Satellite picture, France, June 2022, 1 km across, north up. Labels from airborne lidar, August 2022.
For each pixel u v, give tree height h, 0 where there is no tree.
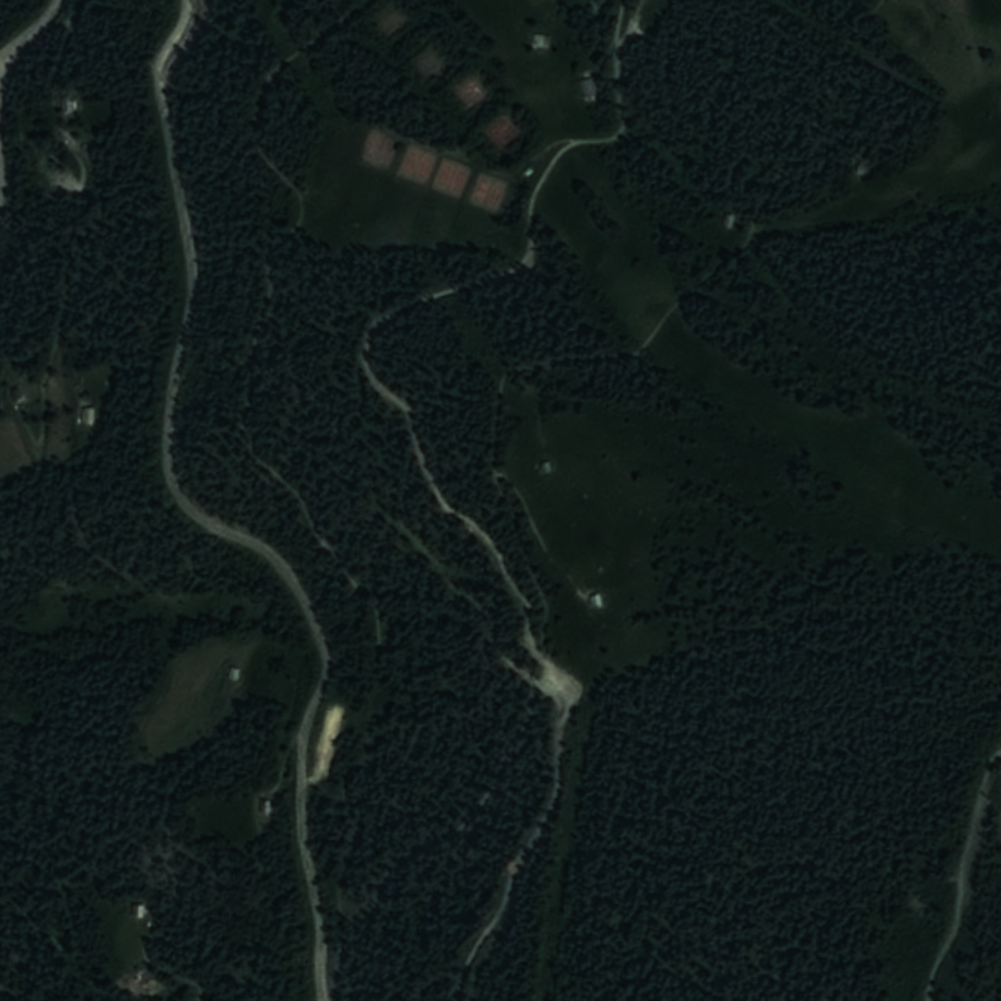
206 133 26
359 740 8
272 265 13
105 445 21
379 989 24
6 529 25
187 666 0
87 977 8
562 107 0
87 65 19
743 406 0
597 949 16
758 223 12
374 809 25
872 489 0
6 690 7
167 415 0
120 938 0
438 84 11
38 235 18
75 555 23
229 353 12
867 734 21
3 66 0
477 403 16
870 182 14
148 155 16
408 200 0
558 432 0
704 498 10
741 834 23
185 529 28
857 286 19
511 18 0
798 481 21
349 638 20
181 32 0
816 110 27
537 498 0
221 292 17
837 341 23
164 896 21
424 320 20
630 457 0
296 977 12
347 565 23
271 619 15
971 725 9
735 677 20
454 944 25
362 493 21
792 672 20
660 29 16
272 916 6
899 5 0
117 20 22
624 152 10
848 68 25
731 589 18
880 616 10
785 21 22
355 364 6
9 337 16
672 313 0
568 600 0
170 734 0
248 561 15
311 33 9
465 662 26
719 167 22
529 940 27
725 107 27
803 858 23
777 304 29
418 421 18
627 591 0
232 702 0
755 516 9
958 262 6
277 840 11
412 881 26
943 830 19
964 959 16
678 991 27
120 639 16
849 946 20
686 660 24
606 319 10
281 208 10
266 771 14
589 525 0
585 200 15
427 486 10
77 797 28
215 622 20
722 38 15
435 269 8
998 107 0
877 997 22
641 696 16
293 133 23
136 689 23
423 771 22
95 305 22
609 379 23
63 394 0
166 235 11
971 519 0
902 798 10
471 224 0
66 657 7
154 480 15
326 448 25
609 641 0
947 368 21
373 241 0
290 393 25
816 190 22
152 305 28
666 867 23
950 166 0
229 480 20
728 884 22
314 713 0
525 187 13
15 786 15
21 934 23
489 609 31
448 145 19
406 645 19
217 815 0
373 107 20
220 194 16
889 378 12
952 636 6
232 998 10
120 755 22
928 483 0
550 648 8
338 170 0
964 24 0
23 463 0
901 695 22
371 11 9
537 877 20
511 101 7
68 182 0
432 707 21
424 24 11
